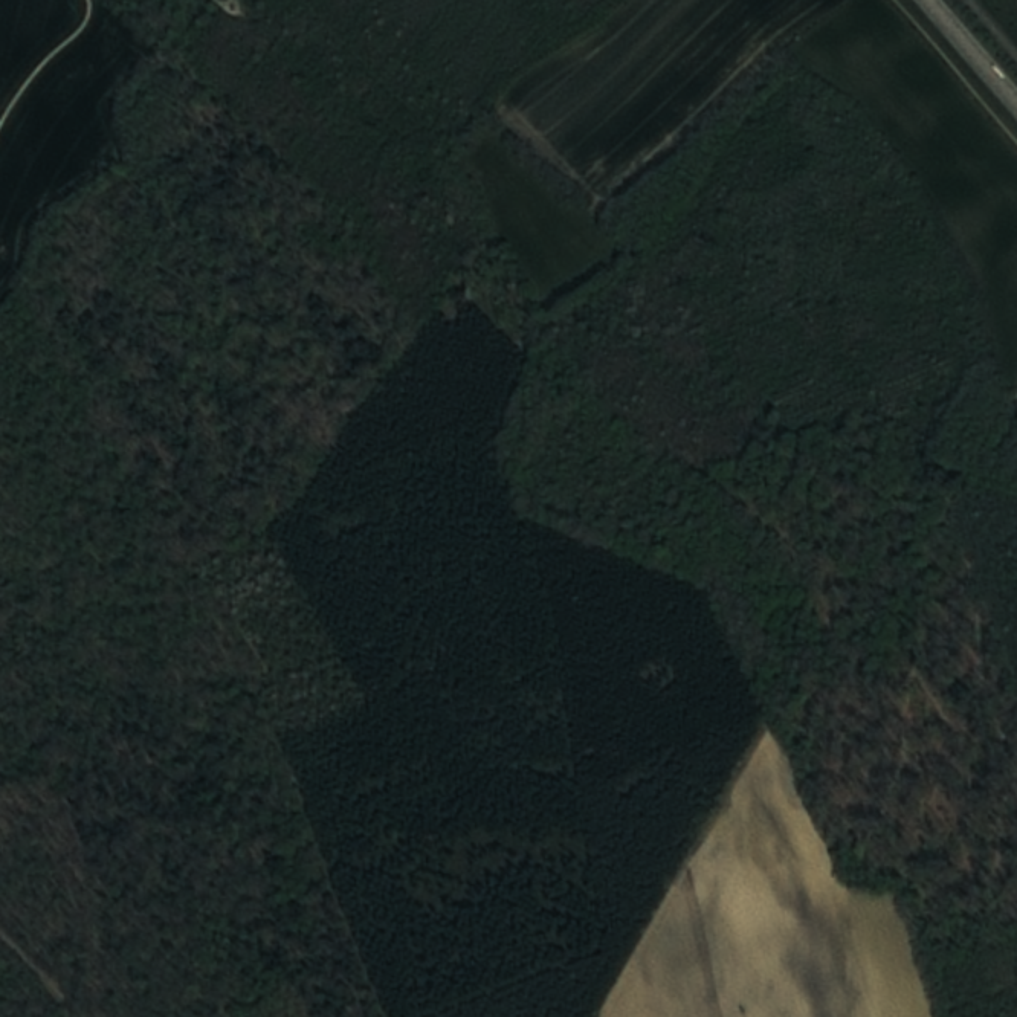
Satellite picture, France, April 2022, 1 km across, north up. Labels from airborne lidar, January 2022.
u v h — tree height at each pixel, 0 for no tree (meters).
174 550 25
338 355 27
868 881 24
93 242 29
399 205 13
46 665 20
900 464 24
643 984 0
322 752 10
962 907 28
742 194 13
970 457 25
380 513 11
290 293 19
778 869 0
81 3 0
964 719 26
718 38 0
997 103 0
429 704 13
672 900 0
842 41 0
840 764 30
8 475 22
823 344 9
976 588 14
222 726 17
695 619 12
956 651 30
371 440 13
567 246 0
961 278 8
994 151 0
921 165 0
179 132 23
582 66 0
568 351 16
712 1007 0
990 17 0
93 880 27
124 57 0
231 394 20
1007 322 0
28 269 20
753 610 25
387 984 18
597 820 13
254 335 25
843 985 0
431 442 13
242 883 25
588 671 14
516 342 11
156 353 22
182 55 22
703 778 14
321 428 26
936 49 0
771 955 0
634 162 0
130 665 23
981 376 24
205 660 22
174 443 21
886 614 26
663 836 14
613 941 15
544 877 19
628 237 24
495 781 14
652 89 0
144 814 24
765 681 23
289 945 22
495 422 17
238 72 10
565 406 21
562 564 15
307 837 19
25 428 21
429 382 14
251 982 21
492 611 18
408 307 9
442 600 17
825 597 29
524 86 0
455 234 10
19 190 0
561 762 9
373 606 18
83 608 20
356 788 15
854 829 29
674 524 27
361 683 18
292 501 15
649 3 0
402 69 9
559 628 13
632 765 15
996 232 0
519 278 15
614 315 15
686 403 12
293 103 14
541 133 0
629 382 13
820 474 23
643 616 14
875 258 9
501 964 17
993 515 15
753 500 24
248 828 21
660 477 13
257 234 24
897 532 27
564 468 15
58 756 29
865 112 10
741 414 13
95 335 19
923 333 12
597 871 16
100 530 20
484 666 18
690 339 14
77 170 0
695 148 23
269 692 12
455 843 18
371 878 16
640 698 15
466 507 16
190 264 19
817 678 28
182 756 17
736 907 0
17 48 0
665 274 15
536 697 11
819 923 0
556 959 17
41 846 28
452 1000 18
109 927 22
